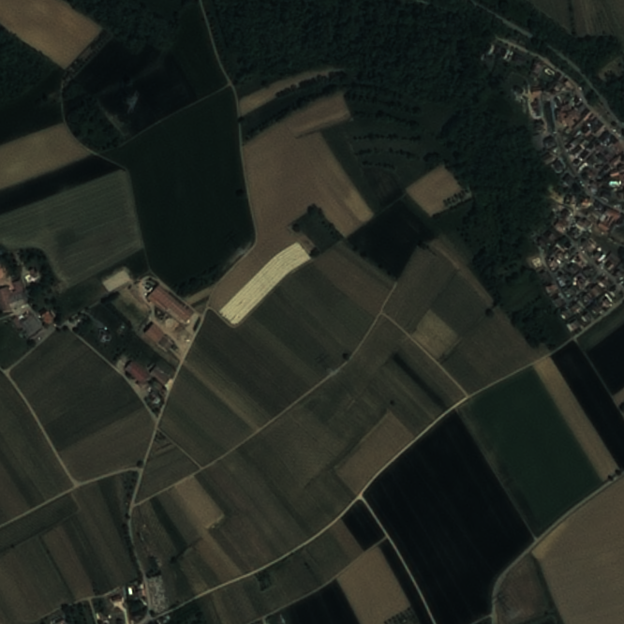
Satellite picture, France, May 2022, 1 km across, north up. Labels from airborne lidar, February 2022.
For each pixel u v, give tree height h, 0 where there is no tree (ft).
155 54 0
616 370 0
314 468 0
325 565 0
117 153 0
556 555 0
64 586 0
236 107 0
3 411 0
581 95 0
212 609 0
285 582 0
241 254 0
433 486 0
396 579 0
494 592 0
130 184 0
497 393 0
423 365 0
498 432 0
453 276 0
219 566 0
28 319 0
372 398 0
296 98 0
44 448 0
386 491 0
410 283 0
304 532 0
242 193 35
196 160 0
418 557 0
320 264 0
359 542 0
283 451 0
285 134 0
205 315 0
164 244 0
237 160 0
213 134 0
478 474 0
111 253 0
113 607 0
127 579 0
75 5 64
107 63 0
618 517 0
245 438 0
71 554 0
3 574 0
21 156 0
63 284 0
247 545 0
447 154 0
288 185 0
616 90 63
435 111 0
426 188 0
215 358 0
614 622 0
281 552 0
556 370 0
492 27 62
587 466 0
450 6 67
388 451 0
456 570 0
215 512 0
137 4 49
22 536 0
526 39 30
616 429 0
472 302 0
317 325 0
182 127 0
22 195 0
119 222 0
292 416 0
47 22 0
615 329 0
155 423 0
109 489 0
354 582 0
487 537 0
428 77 54
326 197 0
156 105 0
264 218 0
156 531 0
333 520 0
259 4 31
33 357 0
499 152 64
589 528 0
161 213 0
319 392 0
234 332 0
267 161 0
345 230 0
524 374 0
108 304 31
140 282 0
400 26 72
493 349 0
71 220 0
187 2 50
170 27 45
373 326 0
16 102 0
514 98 0
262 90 0
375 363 0
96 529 0
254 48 48
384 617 0
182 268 0
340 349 0
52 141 0
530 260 0
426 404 0
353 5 73
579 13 0
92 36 0
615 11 0
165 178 0
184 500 0
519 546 0
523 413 0
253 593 0
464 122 22
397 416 0
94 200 0
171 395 0
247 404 0
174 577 0
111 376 0
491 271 50
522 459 0
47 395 0
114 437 0
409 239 0
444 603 0
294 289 0
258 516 0
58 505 0
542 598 0
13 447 0
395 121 20
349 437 0
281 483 0
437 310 0
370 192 0
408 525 0
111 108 0
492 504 0
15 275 0
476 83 73
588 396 0
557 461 0
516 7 0
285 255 0
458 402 0
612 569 0
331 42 67
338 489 0
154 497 0
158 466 0
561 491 0
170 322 0
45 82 0
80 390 0
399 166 0
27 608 0
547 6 0
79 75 0
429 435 0
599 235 0
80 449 0
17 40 54
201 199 0
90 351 0
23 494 0
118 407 0
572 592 0
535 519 0
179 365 0
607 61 0
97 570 0
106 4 62
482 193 49
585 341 0
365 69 25
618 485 0
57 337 0
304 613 0
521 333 0
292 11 49
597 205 0
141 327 0
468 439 0
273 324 0
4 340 0
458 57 33
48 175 0
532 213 38
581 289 0
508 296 0
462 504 0
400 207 0
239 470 0
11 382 0
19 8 0
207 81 0
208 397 0
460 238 0
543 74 0
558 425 0
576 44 51
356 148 0
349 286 0
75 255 0
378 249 0
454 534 0
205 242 0
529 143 59
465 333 0
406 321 0
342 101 0
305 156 0
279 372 0
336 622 0
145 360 0
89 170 0
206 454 0
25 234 0
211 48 0
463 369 0
